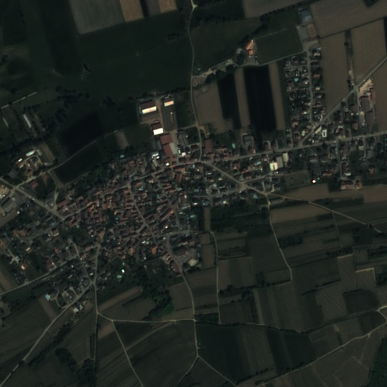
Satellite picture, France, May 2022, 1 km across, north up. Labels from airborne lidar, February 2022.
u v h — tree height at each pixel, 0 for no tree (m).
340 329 0
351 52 0
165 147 0
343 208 0
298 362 0
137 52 0
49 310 0
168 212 0
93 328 0
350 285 0
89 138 0
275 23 0
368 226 6
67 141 0
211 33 0
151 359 0
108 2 0
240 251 0
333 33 0
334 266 0
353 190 0
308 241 0
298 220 0
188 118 0
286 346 0
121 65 0
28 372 0
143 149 0
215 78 11
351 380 0
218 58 0
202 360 0
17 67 0
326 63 0
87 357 0
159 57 0
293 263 0
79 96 12
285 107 0
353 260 0
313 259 0
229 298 0
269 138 0
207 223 0
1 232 7
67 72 0
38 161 0
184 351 0
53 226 0
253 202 0
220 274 0
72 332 0
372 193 0
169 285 0
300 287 0
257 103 0
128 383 0
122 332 0
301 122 7
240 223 0
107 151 6
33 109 8
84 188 0
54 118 0
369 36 0
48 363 0
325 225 0
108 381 0
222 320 0
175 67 0
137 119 0
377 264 0
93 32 0
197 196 0
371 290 0
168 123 0
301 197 0
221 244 0
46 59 0
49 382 0
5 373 0
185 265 7
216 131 0
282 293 0
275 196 0
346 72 0
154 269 0
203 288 0
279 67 0
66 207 0
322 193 0
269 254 0
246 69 0
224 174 0
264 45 0
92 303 0
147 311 0
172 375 0
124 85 0
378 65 0
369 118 0
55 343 6
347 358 0
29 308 0
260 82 0
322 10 0
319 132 0
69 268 9
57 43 0
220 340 0
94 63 0
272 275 0
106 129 0
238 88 0
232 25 0
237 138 0
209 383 0
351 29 0
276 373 0
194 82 0
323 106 0
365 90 0
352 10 0
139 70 0
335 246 0
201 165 0
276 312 0
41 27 0
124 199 0
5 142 0
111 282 0
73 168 0
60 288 0
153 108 0
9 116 0
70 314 0
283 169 0
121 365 0
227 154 0
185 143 0
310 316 0
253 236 0
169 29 0
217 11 0
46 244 0
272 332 0
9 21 0
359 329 0
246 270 0
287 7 0
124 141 0
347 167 0
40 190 0
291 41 0
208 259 0
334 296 0
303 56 0
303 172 0
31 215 0
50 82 0
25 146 16
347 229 0
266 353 0
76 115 0
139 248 0
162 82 0
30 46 0
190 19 0
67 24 0
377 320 0
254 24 0
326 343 0
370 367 0
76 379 0
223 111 0
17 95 16
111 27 0
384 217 0
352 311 0
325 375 0
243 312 0
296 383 0
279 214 0
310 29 0
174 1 0
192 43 0
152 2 0
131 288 0
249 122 0
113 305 0
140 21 0
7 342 0
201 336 0
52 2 0
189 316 0
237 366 0
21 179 0
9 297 0
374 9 0
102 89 0
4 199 0
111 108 0
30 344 0
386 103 0
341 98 0
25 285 0
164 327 0
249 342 0
